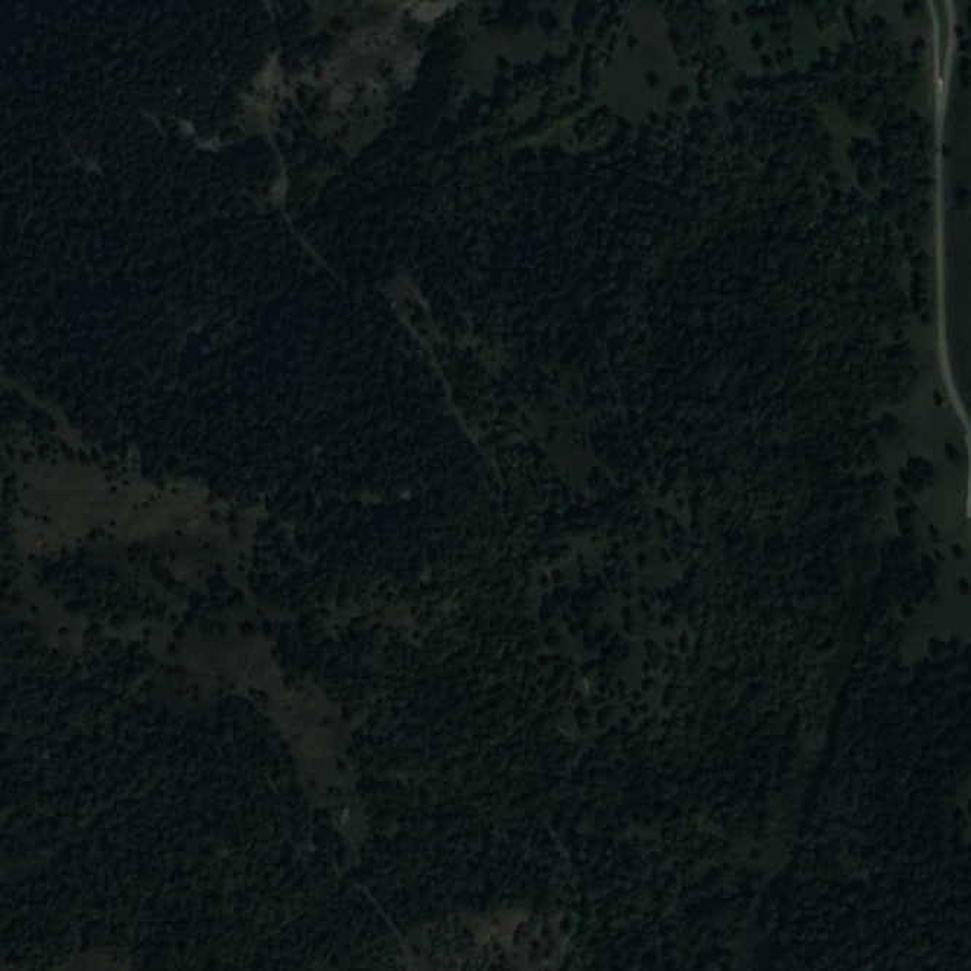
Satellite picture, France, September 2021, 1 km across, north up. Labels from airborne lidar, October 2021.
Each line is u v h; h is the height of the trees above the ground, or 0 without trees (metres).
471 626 16
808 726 13
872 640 19
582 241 17
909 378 16
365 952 7
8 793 9
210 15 25
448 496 14
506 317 12
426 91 15
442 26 11
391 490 15
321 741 0
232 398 12
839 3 19
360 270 12
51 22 22
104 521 0
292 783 6
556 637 11
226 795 13
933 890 22
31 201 34
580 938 15
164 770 13
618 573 8
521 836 7
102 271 24
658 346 17
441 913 6
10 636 9
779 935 17
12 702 8
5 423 13
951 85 0
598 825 12
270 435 15
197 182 22
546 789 13
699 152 14
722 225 14
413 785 14
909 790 16
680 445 16
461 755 12
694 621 14
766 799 27
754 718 15
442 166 13
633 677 0
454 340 15
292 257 12
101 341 31
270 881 15
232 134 23
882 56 21
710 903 8
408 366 11
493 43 0
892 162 17
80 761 12
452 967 9
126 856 9
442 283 22
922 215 18
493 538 16
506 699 17
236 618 0
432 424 15
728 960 13
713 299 23
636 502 18
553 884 14
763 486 10
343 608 10
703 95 13
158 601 6
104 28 29
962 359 0
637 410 19
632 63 0
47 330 14
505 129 15
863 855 8
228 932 13
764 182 6
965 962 18
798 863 17
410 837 11
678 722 18
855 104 7
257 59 21
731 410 21
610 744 13
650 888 21
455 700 13
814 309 17
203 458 25
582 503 14
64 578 13
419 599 13
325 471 16
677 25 19
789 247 17
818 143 16
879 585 6
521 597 15
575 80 0
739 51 0
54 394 15
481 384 13
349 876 8
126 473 8
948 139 0
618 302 26
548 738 13
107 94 17
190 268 26
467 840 12
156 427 29
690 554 15
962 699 13
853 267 18
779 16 14
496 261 16
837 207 18
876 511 18
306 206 14
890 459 0
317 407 28
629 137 13
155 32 26
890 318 17
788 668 18
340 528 9
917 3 15
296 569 11
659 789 22
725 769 14
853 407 18
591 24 16
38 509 0
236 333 19
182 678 8
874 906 25
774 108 19
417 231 13
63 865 7
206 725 7
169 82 23
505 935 0
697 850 8
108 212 17
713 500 19
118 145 27
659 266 9
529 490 14
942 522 0
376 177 12
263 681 0
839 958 15
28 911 9
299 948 9
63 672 10
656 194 13
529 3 16
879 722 22
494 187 15
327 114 7
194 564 0
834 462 16
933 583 17
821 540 17
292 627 12
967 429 0
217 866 11
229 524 10
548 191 16
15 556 11
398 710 16
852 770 23
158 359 31
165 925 10
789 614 27
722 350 18
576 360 21
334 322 22
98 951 7
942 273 0
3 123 27
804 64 0
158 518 0
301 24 22
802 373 20
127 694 9
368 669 10
